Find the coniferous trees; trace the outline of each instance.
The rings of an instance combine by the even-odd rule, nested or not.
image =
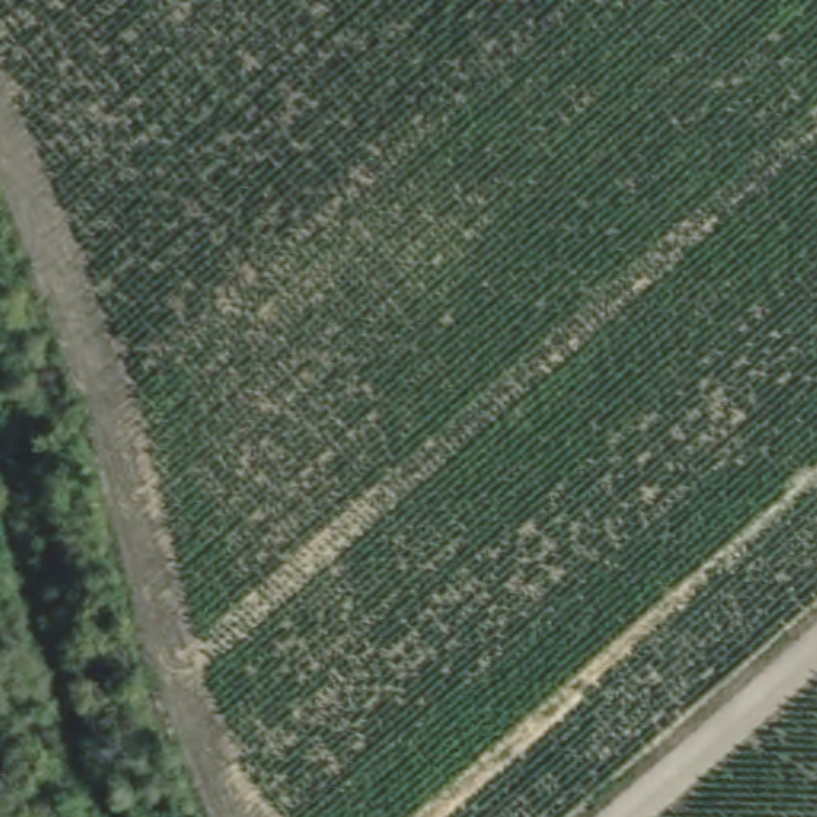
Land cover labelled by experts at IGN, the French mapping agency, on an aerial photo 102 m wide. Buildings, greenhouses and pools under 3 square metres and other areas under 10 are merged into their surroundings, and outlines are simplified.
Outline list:
[[[16,217],[0,185],[0,817],[207,817],[188,772],[188,750],[179,747],[179,737],[166,734],[169,712],[150,712],[150,699],[160,699],[163,683],[153,661],[147,657],[147,648],[137,641],[134,632],[137,606],[121,562],[121,549],[109,546],[105,479],[99,476],[89,447],[93,415],[89,405],[80,402],[80,393],[67,386],[57,329],[48,319],[51,297],[41,297],[35,287],[32,262],[19,246]]]

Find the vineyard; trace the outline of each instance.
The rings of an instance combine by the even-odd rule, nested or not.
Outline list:
[[[163,517],[176,549],[179,581],[195,635],[185,648],[160,651],[153,661],[163,683],[182,680],[185,686],[195,686],[204,677],[220,715],[227,718],[233,740],[239,744],[243,772],[281,817],[597,817],[629,785],[613,776],[619,763],[641,750],[657,731],[664,731],[677,718],[677,712],[689,708],[699,696],[715,689],[785,619],[791,619],[817,597],[817,0],[0,0],[0,54],[3,70],[19,83],[16,109],[26,118],[26,128],[35,140],[54,201],[67,214],[73,243],[86,252],[86,278],[112,281],[112,290],[99,294],[96,306],[105,313],[109,335],[124,341],[124,367],[134,380],[131,399],[137,402],[147,424],[147,453],[160,479]]]
[[[657,817],[817,817],[817,677],[798,696],[791,696],[776,718],[756,728],[747,744],[728,753],[673,807],[661,811]]]

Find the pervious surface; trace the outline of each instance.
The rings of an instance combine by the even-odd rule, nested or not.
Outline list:
[[[661,811],[673,807],[728,753],[747,744],[756,728],[776,718],[791,696],[798,696],[817,677],[817,626],[807,635],[801,635],[801,641],[785,648],[747,689],[740,689],[670,756],[664,756],[635,785],[629,785],[597,817],[657,817]]]

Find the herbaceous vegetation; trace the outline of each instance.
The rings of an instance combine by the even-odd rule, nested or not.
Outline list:
[[[281,817],[243,772],[239,744],[233,740],[227,718],[220,715],[204,677],[195,686],[185,686],[182,680],[163,683],[160,699],[150,699],[150,712],[169,712],[166,734],[179,737],[179,747],[188,750],[188,772],[207,817]]]
[[[635,785],[664,756],[670,756],[740,689],[747,689],[785,648],[801,641],[801,635],[807,635],[817,626],[817,597],[791,619],[785,619],[715,689],[699,696],[689,708],[677,712],[677,718],[664,731],[657,731],[641,750],[619,763],[613,776],[629,785]]]
[[[0,185],[16,217],[19,246],[32,262],[35,287],[41,297],[51,297],[48,319],[57,329],[67,386],[80,393],[80,402],[89,405],[93,415],[89,447],[99,476],[105,479],[109,546],[121,549],[121,562],[137,606],[134,632],[137,641],[147,648],[147,657],[153,661],[160,651],[185,648],[195,635],[179,581],[176,549],[163,517],[160,479],[147,453],[147,424],[137,402],[131,399],[134,380],[124,367],[124,341],[109,335],[105,313],[96,306],[99,294],[112,290],[112,281],[86,278],[86,252],[73,243],[67,214],[54,201],[35,140],[26,128],[26,118],[16,109],[19,83],[3,70],[0,54]]]

